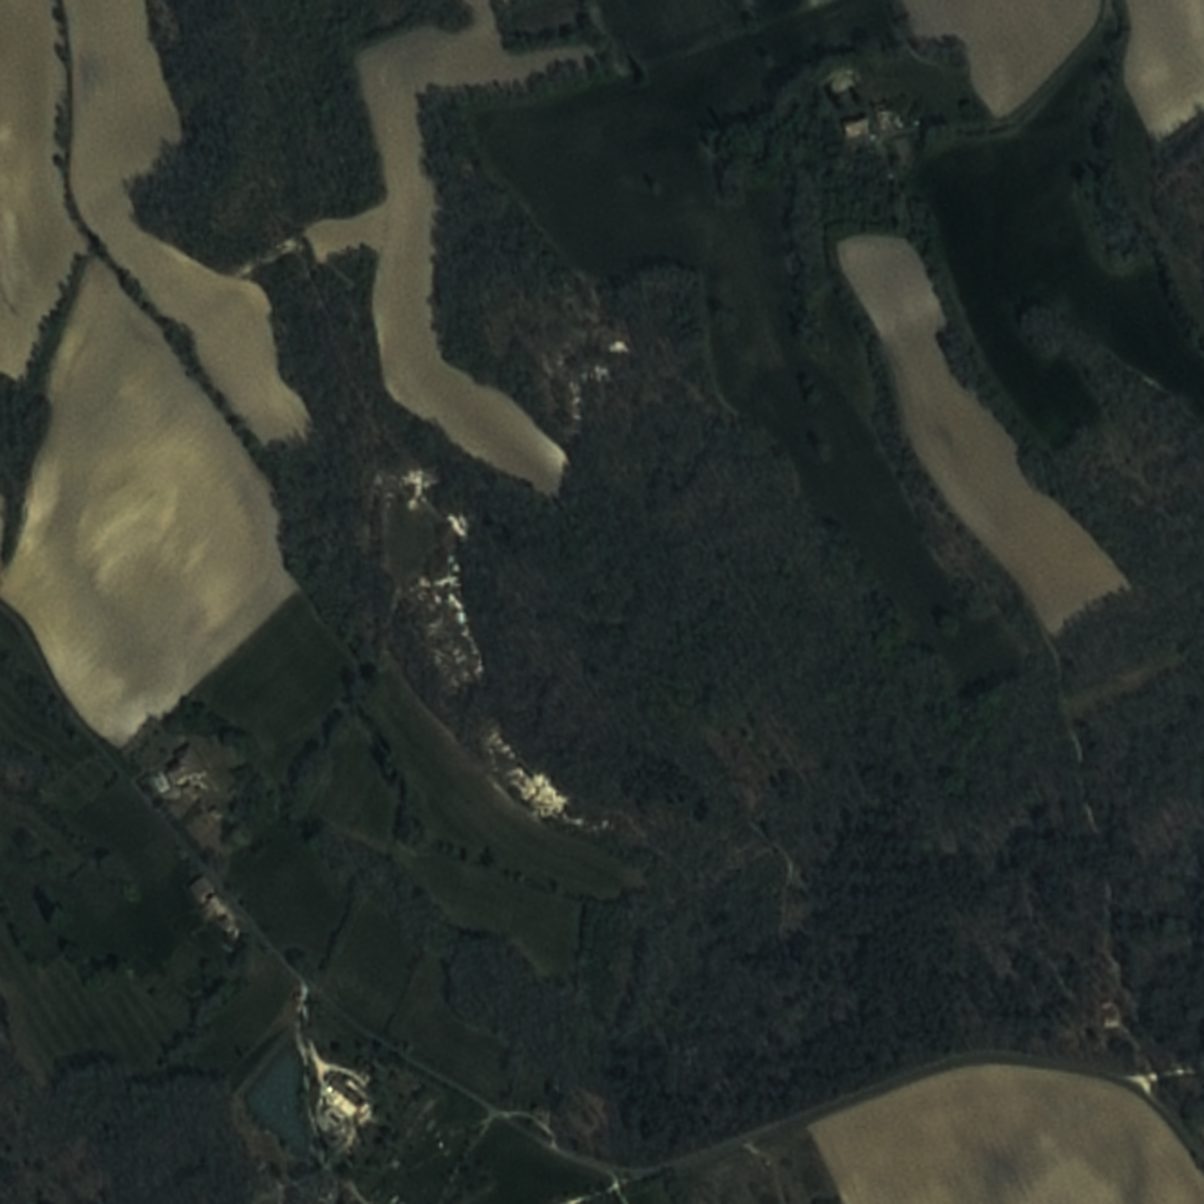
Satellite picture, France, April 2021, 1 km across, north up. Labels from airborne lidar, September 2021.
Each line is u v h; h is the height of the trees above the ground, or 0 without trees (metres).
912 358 0
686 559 19
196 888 0
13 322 0
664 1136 20
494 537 14
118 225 0
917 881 20
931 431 0
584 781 14
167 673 0
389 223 0
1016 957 16
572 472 13
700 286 13
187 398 0
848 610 21
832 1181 0
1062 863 14
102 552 0
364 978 0
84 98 0
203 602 0
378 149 20
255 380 0
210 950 0
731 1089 10
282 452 16
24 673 6
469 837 0
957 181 0
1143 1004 16
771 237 0
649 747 17
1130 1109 0
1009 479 0
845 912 20
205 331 0
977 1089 0
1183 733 13
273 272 10
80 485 0
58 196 0
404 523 0
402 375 0
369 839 0
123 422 0
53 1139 13
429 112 19
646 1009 20
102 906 0
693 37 0
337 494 12
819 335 10
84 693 0
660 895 11
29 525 0
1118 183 16
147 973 0
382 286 0
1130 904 14
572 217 0
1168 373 0
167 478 0
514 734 11
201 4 14
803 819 15
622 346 0
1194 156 7
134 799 0
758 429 13
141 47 0
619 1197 13
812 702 17
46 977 0
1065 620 0
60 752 0
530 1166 0
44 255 0
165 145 0
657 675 20
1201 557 13
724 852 6
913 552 0
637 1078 19
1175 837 15
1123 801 10
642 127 0
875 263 0
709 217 0
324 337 11
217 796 0
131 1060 0
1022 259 0
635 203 0
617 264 0
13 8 0
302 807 15
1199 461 12
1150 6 0
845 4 0
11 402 12
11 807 0
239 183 11
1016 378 0
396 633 11
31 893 0
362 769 0
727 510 10
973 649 0
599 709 15
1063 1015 19
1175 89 0
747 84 0
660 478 11
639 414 12
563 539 20
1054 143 0
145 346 0
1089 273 0
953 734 16
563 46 16
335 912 0
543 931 0
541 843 0
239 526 0
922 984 21
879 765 19
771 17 0
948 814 16
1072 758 17
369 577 8
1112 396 8
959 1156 0
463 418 0
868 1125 0
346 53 15
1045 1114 0
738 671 18
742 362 0
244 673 0
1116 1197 0
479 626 8
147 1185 16
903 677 17
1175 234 15
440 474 8
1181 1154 0
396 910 19
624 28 0
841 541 21
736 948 9
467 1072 0
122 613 0
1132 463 8
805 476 0
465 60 0
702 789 17
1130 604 14
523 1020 16
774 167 19
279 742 0
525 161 0
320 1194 25
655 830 8
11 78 0
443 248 19
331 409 8
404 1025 0
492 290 15
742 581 17
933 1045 19
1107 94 13
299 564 10
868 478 0
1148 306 0
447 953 16
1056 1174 0
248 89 13
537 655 12
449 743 0
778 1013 13
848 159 10
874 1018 15
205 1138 17
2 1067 10
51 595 0
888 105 6
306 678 0
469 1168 6
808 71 16
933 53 17
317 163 20
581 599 22
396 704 0
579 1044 18
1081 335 16
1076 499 16
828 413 0
